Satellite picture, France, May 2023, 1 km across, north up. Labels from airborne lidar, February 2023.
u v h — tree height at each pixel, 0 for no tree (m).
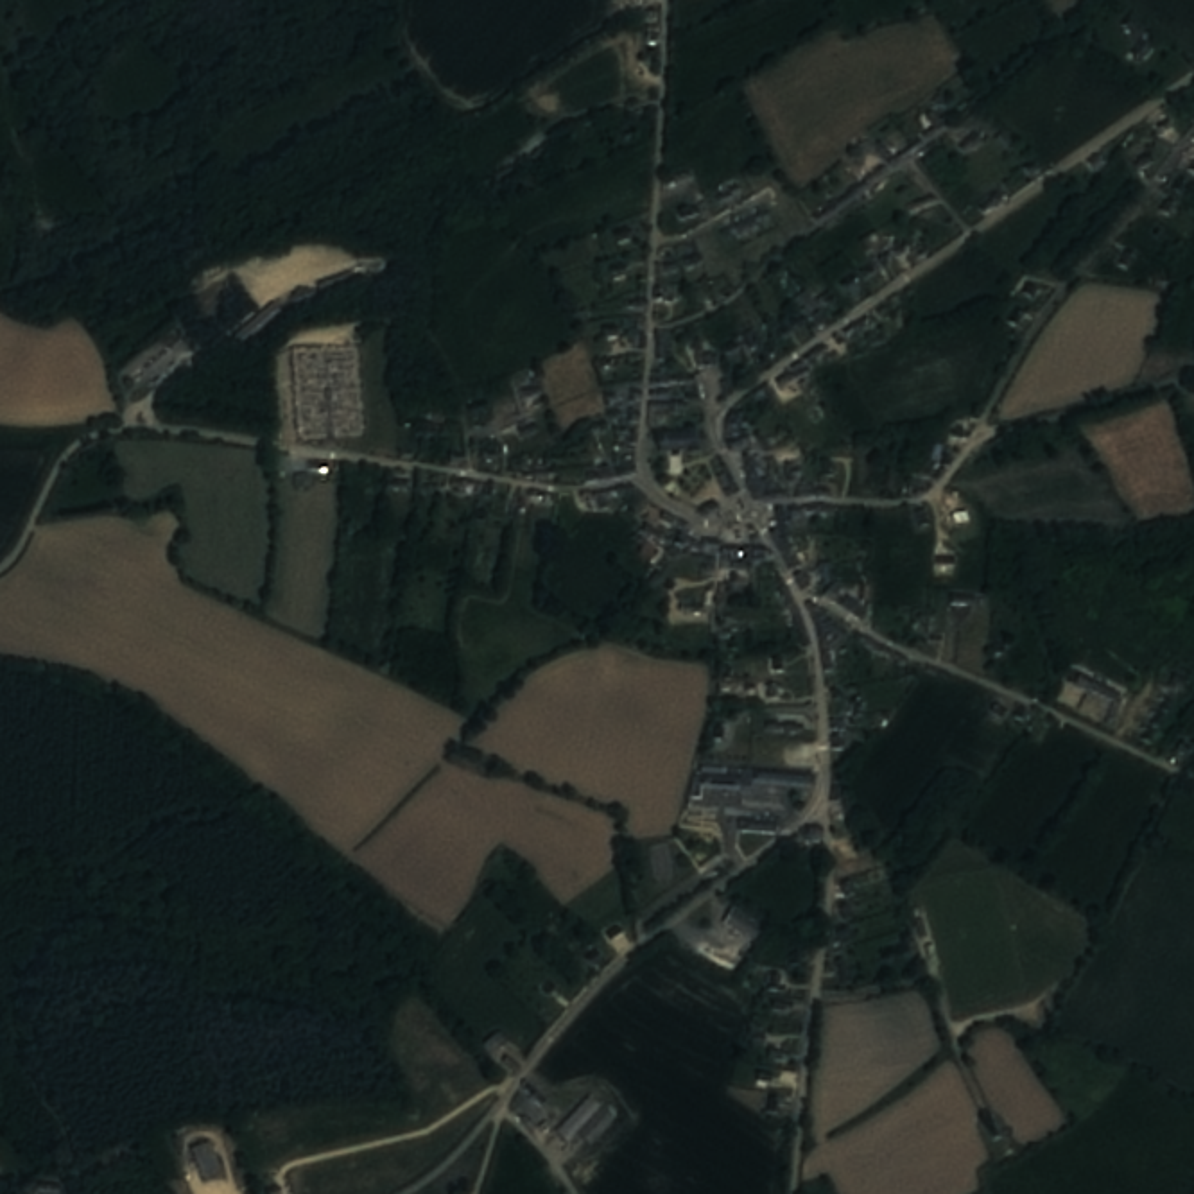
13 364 0
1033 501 0
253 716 0
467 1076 0
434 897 0
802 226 0
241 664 0
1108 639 0
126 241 13
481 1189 0
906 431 9
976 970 0
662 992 0
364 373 0
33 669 11
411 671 8
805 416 0
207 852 25
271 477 12
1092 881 0
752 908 11
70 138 16
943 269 0
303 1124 0
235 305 16
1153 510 0
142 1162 14
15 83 13
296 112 0
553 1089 0
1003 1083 0
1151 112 0
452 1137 0
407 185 17
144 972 29
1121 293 0
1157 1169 0
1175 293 12
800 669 0
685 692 0
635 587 7
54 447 0
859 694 0
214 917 19
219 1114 15
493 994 0
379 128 11
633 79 0
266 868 23
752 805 0
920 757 0
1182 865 0
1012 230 0
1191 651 0
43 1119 7
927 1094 0
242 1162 13
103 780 21
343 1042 20
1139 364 0
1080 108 0
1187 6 0
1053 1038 11
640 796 0
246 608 12
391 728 0
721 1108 0
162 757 19
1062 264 10
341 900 17
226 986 6
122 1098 21
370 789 0
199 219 19
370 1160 0
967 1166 0
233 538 0
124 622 0
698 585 0
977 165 0
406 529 9
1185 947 0
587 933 16
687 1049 0
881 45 0
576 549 0
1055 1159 0
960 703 0
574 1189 0
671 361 9
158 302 11
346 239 15
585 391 0
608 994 0
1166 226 0
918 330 9
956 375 0
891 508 0
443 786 0
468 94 0
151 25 12
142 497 0
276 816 21
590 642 9
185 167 8
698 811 0
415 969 14
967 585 0
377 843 0
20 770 22
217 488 0
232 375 16
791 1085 0
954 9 0
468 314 0
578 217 0
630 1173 0
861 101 0
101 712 16
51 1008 24
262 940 12
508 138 0
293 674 0
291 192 17
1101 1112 0
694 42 0
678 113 9
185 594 0
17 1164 0
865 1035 0
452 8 0
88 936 18
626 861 19
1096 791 0
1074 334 0
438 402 15
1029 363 0
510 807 0
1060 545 9
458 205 17
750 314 0
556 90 0
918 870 15
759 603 7
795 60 0
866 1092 0
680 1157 0
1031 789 0
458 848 0
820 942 13
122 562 0
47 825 21
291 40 12
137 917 8
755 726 0
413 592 0
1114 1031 0
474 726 17
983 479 0
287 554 0
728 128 0
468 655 0
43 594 0
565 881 0
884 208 0
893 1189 0
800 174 0
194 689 0
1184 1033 0
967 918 0
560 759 0
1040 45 13
